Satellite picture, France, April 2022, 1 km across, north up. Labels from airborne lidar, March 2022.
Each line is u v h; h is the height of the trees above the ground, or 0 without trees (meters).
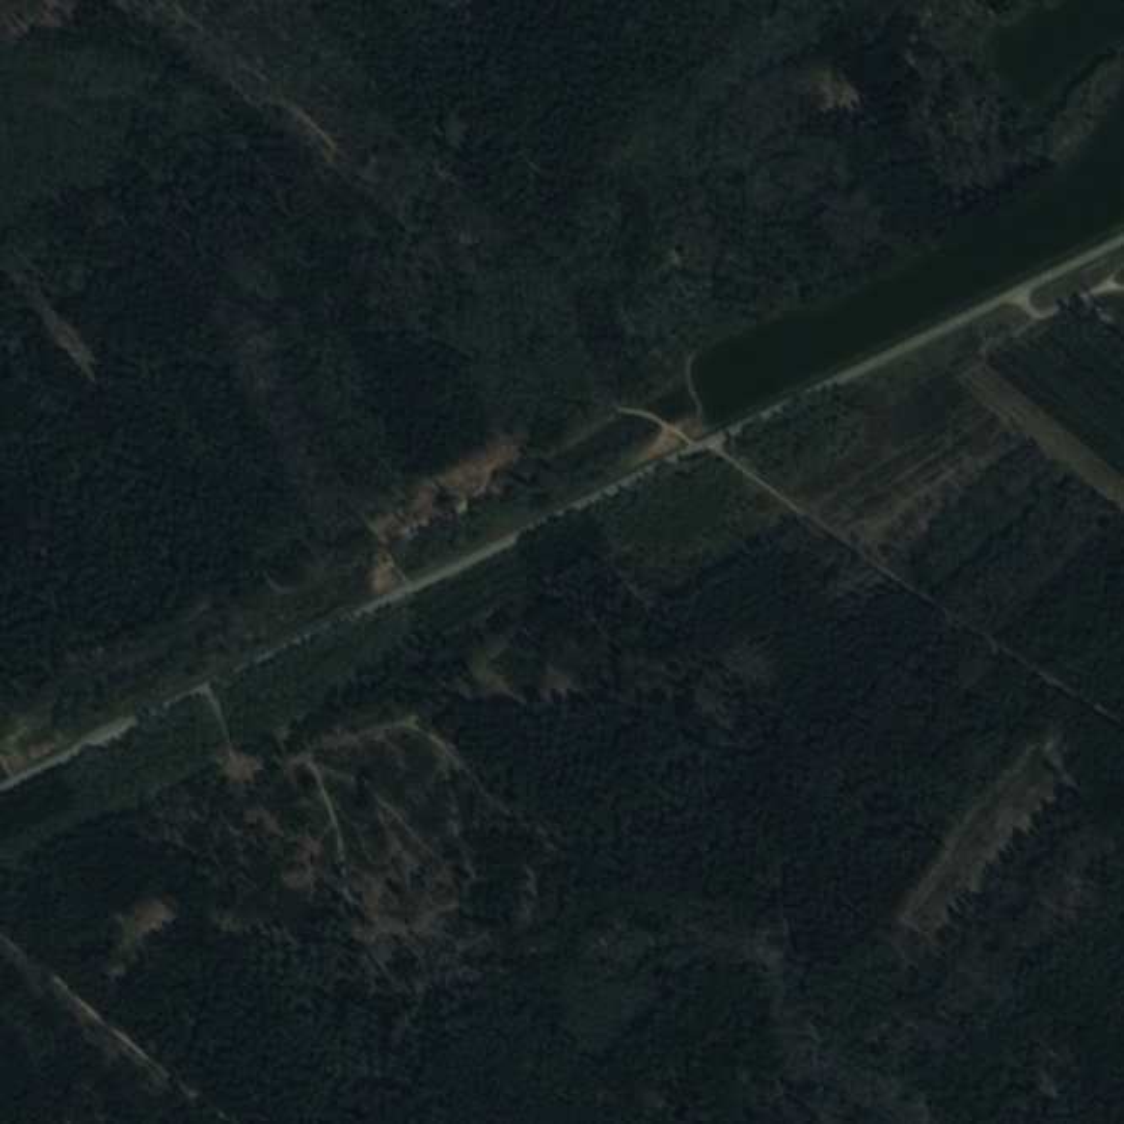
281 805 8
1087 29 0
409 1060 21
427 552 20
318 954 30
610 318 21
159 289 26
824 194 18
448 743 26
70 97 19
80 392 28
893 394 0
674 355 29
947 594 21
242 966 26
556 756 30
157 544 29
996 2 0
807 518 0
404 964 11
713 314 27
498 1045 24
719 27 28
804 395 0
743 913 19
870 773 31
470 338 23
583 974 8
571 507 0
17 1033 19
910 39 11
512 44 28
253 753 12
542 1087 24
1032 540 25
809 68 27
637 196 17
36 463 23
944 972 18
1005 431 0
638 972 10
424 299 28
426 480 27
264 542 25
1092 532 27
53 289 13
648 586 6
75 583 17
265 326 30
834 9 24
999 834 0
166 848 10
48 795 14
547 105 28
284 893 6
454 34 26
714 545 17
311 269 16
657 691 0
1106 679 23
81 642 31
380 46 26
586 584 28
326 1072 29
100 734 0
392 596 0
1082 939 26
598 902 32
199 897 30
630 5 27
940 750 25
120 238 26
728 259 26
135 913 31
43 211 21
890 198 28
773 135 32
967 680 26
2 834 14
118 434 22
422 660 33
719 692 12
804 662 25
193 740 19
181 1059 23
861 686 20
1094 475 0
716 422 0
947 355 0
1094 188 0
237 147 25
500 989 22
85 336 27
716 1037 21
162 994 30
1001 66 0
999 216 23
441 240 28
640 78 22
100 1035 18
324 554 26
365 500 27
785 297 23
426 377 26
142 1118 21
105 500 26
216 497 27
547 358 26
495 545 0
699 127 12
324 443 29
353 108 26
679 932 25
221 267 30
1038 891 31
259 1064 26
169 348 18
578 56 28
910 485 0
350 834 8
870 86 18
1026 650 23
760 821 31
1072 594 28
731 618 25
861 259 29
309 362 26
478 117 25
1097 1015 26
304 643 0
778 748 28
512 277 26
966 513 11
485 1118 19
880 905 32
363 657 16
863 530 0
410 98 21
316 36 22
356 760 6
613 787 29
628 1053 21
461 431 30
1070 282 0
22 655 28
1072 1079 16
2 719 23
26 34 17
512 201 28
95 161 21
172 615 29
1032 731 23
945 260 0
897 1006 18
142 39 10
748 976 17
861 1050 25
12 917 27
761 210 26
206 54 26
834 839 29
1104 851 22
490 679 0
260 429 30
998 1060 23
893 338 0
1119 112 0
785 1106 15
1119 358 20
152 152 23
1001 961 29
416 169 23
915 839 34
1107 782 30
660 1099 24
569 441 22
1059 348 10
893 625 22
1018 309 0
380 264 25
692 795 33
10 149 20
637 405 15
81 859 27
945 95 10
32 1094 15
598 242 22
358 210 18
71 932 26
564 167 28
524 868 15
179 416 26
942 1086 28
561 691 0
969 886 0
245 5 26
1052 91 0
